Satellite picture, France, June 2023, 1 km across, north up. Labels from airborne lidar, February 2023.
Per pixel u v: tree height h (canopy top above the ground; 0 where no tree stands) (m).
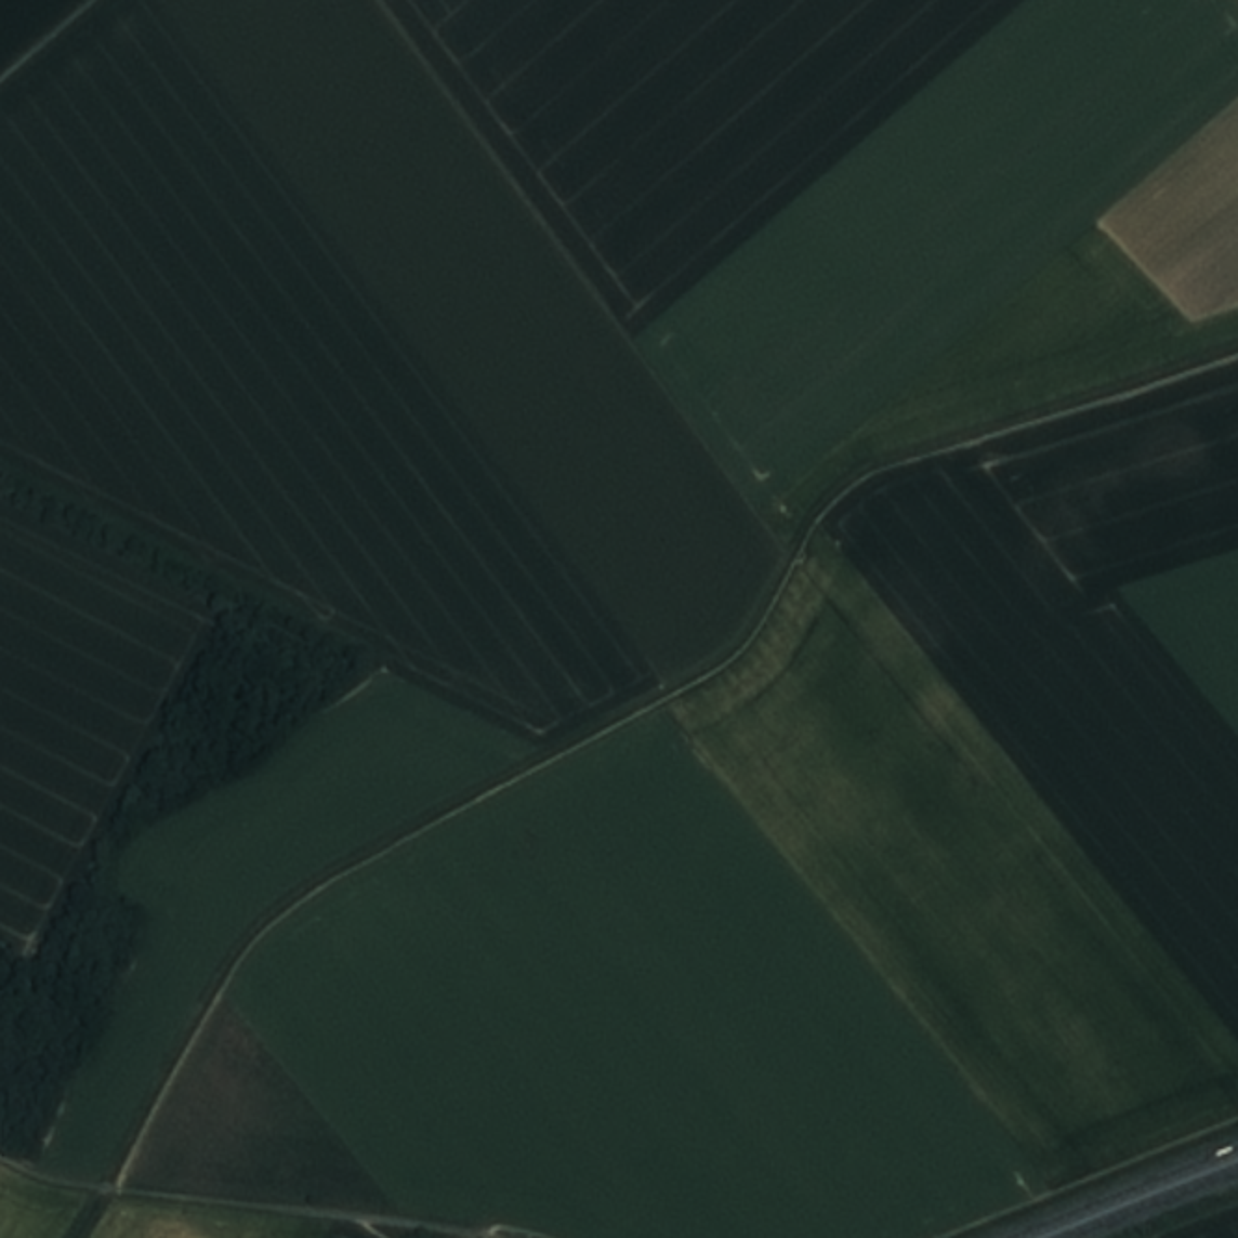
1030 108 0
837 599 0
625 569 0
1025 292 0
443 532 0
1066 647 0
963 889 0
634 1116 0
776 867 0
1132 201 0
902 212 0
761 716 0
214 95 0
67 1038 23
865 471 0
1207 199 0
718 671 0
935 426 0
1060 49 0
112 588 0
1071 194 0
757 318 0
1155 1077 0
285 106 0
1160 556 0
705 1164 0
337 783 0
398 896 0
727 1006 0
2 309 0
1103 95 0
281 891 0
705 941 0
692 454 0
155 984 0
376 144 0
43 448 0
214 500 0
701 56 0
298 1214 0
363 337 0
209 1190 0
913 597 0
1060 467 0
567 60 0
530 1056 0
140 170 0
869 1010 0
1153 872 0
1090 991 0
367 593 0
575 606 0
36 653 0
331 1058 0
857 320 0
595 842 0
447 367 0
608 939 0
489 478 0
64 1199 0
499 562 0
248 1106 0
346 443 0
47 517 11
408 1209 0
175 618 0
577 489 0
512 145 0
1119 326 0
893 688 0
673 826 0
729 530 0
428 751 0
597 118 0
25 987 21
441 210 0
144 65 0
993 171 0
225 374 0
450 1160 0
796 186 0
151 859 0
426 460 0
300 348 0
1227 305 0
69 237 0
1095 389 0
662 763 0
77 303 0
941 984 0
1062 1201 0
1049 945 0
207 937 0
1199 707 0
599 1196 0
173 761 18
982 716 0
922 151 0
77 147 0
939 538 0
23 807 0
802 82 0
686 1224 0
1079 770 0
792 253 0
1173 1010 0
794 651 0
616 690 0
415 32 0
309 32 0
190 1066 0
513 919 0
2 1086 18
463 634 0
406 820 0
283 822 0
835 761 0
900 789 0
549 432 0
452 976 0
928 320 0
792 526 0
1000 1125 0
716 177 0
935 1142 0
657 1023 0
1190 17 0
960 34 0
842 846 0
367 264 0
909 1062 0
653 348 0
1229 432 0
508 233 0
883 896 0
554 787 0
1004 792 0
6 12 0
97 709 0
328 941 0
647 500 0
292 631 14
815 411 0
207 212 0
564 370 0
